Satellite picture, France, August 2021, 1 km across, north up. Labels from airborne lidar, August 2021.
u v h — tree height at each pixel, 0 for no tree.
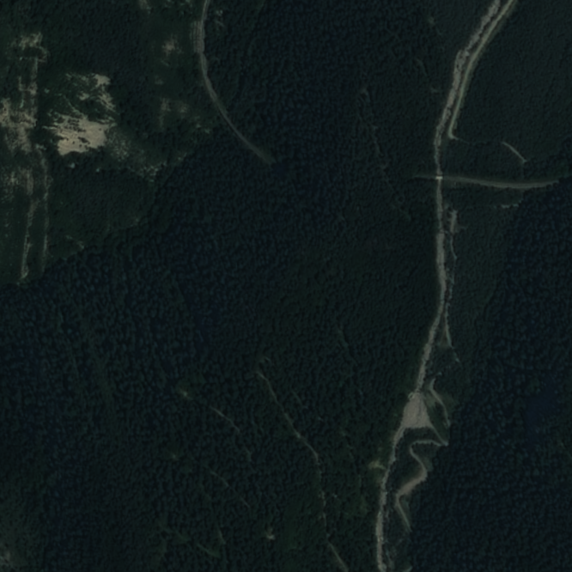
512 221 6
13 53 14
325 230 27
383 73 21
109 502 14
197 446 28
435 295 26
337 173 25
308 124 25
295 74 22
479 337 7
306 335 20
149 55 8
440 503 26
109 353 31
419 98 21
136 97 28
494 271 8
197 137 9
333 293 19
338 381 18
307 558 27
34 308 18
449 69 7
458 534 22
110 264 24
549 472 25
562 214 24
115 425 18
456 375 8
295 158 6
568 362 24
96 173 16
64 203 9
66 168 13
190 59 12
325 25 33
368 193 23
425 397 0
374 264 20
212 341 28
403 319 23
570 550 24
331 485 25
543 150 12
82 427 21
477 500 29
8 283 7
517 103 10
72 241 14
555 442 15
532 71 10
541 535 25
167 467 19
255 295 21
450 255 6
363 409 29
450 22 6
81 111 9
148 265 24
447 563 25
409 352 28
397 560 6
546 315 35
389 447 8
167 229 9
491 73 12
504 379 9
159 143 16
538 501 27
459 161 11
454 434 18
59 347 21
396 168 25
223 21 22
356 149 17
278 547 27
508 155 10
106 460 17
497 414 30
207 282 32
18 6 27
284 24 28
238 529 18
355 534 18
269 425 17
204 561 27
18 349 8
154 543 13
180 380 13
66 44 9
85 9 32
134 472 26
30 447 25
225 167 22
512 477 28
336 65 27
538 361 28
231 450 27
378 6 26
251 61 25
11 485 6
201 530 28
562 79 15
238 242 21
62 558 11
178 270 31
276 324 20
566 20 11
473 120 13
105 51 25
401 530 6
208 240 17
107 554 20
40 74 10
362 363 32
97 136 0
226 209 15
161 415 7
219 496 31
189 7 15
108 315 32
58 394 21
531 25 13
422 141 27
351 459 6
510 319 34
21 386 28
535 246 19
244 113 22
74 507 16
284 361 15
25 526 6
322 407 28
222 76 30
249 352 24
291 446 27
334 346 25
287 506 21
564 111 14
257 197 26
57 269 24
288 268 22
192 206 15
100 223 7
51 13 23
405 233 24
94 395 36
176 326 31
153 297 26
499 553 23
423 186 31
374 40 31
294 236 24
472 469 35
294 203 30
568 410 18
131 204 14
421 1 9
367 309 26
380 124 25
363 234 24
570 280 16
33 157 7
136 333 8
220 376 25
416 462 9
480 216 11
